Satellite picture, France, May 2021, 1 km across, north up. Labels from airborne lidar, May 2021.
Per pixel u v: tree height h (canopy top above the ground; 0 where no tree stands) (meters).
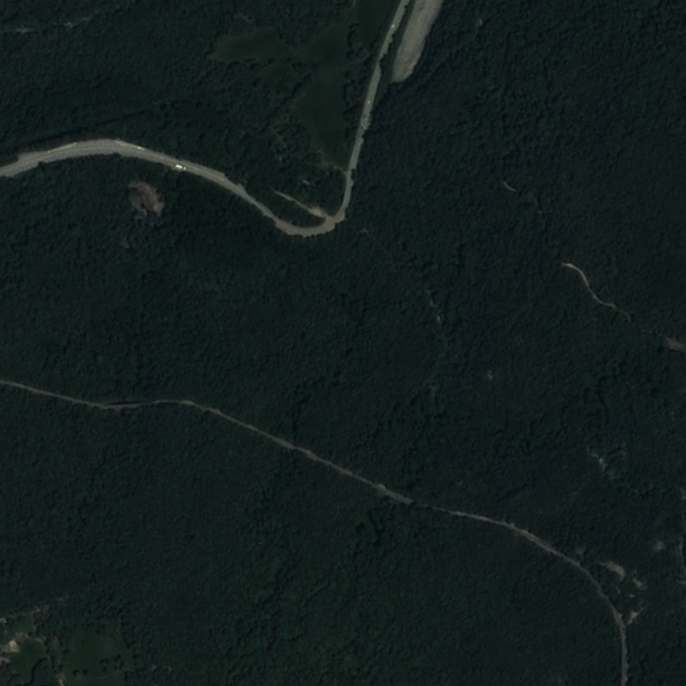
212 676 17
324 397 20
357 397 9
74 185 13
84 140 11
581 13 9
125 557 15
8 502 13
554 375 8
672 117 13
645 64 12
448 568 7
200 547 9
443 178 18
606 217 8
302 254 16
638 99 17
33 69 8
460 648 9
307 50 0
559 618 7
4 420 14
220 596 12
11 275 13
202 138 11
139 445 14
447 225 13
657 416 15
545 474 11
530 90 16
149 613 7
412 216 17
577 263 11
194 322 9
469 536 10
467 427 18
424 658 14
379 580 11
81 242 26
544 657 8
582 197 8
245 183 9
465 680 7
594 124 8
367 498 12
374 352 8
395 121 12
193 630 8
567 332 11
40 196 14
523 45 11
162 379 12
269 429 12
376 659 12
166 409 13
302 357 9
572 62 17
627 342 13
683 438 13
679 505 17
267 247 15
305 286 16
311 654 16
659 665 14
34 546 15
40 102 21
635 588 10
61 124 20
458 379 12
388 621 10
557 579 5
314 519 6
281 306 11
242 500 9
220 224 13
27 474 13
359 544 17
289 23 15
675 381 19
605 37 14
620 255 9
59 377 14
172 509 10
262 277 16
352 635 14
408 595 11
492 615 11
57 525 18
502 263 9
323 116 0
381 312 13
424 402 26
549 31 15
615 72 9
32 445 17
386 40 0
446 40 14
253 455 16
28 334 12
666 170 6
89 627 11
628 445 9
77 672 12
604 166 12
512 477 20
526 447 14
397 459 18
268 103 9
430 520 20
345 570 17
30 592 10
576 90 19
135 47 11
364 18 0
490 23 13
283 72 0
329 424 12
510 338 7
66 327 13
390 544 22
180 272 11
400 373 7
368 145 6
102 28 11
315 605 15
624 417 8
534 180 11
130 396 23
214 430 17
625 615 8
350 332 10
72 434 9
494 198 7
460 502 16
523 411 9
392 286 16
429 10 0
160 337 10
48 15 16
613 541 12
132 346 20
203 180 8
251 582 12
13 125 23
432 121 16
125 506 15
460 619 11
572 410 23
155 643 8
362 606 17
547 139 17
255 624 10
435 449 15
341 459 8
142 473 12
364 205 22
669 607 6
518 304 11
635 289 14
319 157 7
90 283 9
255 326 9
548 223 10
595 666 15
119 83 18
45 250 15
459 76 17
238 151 18
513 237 17
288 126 10
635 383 18
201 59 9
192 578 12
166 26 13
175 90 15
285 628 10
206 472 16
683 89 13
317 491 10
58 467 13
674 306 9
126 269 15
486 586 12
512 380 8
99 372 10
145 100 16
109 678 0
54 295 15
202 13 9
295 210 10
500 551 7
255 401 13
